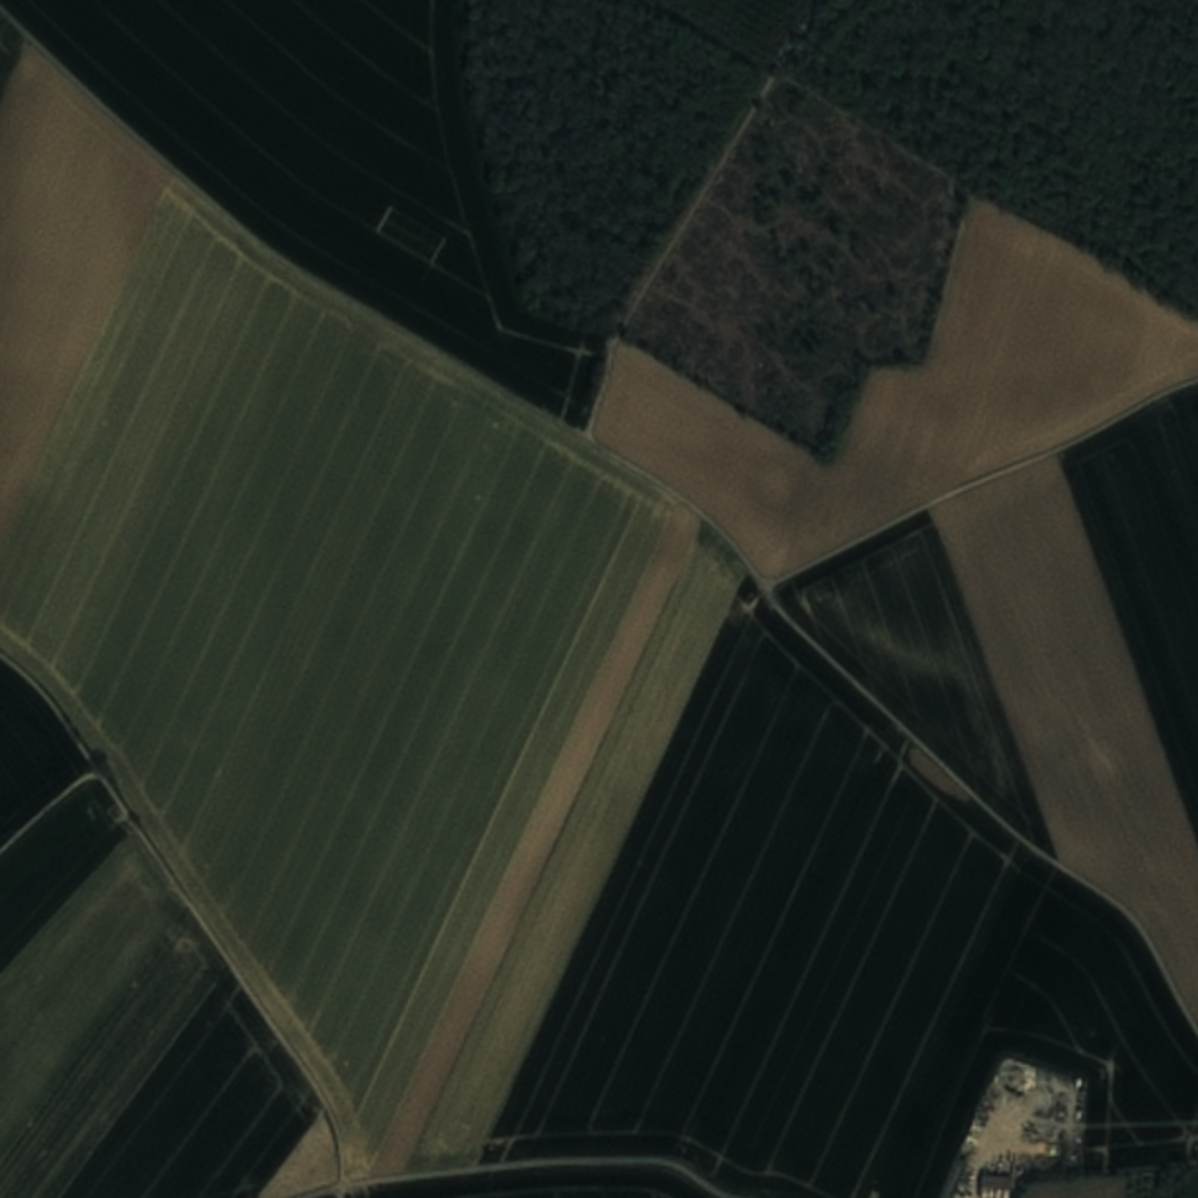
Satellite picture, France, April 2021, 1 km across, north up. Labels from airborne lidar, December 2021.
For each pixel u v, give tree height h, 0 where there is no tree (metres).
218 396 0
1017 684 0
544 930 0
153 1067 0
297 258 0
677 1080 0
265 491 0
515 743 0
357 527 0
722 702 0
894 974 0
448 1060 0
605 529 0
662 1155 0
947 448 0
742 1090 0
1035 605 0
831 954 0
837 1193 0
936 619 0
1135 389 0
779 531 0
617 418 0
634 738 0
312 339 0
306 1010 0
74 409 0
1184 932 0
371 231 0
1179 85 20
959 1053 0
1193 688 0
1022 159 19
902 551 0
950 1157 0
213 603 0
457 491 0
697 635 0
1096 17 19
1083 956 0
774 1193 0
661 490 0
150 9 0
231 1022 0
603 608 0
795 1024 0
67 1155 0
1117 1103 0
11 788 0
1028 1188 10
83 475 0
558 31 10
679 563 0
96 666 0
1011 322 0
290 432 0
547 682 0
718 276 0
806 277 11
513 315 0
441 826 0
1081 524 0
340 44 0
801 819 0
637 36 12
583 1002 0
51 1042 0
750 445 0
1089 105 19
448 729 0
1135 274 17
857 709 0
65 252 0
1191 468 0
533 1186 0
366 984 0
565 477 0
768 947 0
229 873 0
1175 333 0
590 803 0
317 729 0
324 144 0
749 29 8
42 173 0
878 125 25
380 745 0
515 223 7
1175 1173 14
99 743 0
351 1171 0
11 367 0
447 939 0
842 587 0
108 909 0
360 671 0
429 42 0
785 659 0
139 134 0
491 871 0
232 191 0
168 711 0
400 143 0
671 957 0
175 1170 0
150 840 0
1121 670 0
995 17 15
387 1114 0
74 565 0
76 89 0
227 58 0
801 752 0
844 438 12
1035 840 0
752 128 0
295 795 0
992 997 0
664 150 20
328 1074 0
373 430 0
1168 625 0
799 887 0
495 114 20
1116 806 0
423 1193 0
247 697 0
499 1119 0
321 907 0
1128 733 0
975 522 0
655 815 0
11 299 0
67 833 0
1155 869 0
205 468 0
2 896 0
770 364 0
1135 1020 0
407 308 0
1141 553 0
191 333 0
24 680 0
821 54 18
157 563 0
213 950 0
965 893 0
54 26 0
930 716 0
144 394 0
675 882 0
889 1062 0
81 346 0
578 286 20
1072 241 7
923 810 0
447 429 0
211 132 0
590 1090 0
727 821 0
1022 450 0
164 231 0
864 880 0
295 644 0
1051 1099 0
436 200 0
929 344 9
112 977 0
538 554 0
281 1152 0
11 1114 0
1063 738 0
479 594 0
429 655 0
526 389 0
